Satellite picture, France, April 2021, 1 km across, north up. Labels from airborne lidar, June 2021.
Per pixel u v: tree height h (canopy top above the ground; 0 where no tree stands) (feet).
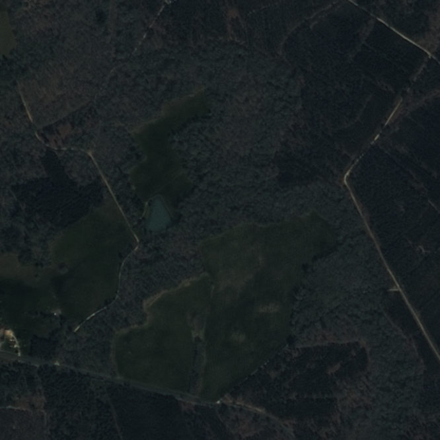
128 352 0
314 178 36
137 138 0
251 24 60
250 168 70
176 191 0
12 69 62
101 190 41
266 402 38
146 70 40
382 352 58
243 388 37
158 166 0
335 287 72
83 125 48
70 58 55
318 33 25
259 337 0
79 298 0
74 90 37
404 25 52
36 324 0
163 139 0
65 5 49
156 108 65
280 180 31
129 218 29
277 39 58
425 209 63
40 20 60
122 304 32
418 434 66
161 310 0
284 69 41
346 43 37
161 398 32
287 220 46
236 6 54
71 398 72
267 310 0
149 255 65
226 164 43
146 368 0
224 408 46
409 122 26
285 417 44
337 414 38
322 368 43
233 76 64
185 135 55
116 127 52
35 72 69
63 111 65
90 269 0
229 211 53
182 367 0
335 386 39
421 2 44
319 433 42
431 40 35
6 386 35
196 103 0
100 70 65
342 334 61
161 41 53
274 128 69
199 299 0
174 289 50
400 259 53
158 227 0
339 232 50
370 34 35
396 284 0
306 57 61
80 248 0
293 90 67
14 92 69
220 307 0
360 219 69
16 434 35
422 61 20
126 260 54
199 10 49
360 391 67
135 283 46
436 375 30
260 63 63
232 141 67
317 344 44
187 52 62
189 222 32
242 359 0
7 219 55
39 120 55
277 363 35
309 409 39
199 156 70
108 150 46
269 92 74
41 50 72
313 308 73
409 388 72
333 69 55
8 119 59
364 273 68
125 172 61
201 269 59
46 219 39
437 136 33
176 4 52
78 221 31
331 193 67
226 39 48
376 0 53
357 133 22
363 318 73
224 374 0
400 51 25
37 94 44
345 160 67
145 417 24
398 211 60
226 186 37
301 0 53
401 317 36
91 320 26
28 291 0
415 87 58
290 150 61
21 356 0
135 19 65
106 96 23
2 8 0
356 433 47
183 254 26
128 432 34
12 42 0
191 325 0
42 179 32
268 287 0
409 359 46
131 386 38
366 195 70
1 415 35
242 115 70
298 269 0
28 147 52
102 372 55
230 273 0
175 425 25
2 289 0
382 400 72
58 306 0
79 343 46
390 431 57
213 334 0
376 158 52
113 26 35
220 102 69
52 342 45
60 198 41
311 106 63
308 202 62
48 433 28
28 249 42
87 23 65
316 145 62
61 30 53
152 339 0
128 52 84
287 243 0
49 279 0
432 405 67
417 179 34
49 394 63
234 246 0
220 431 41
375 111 31
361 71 48
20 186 45
